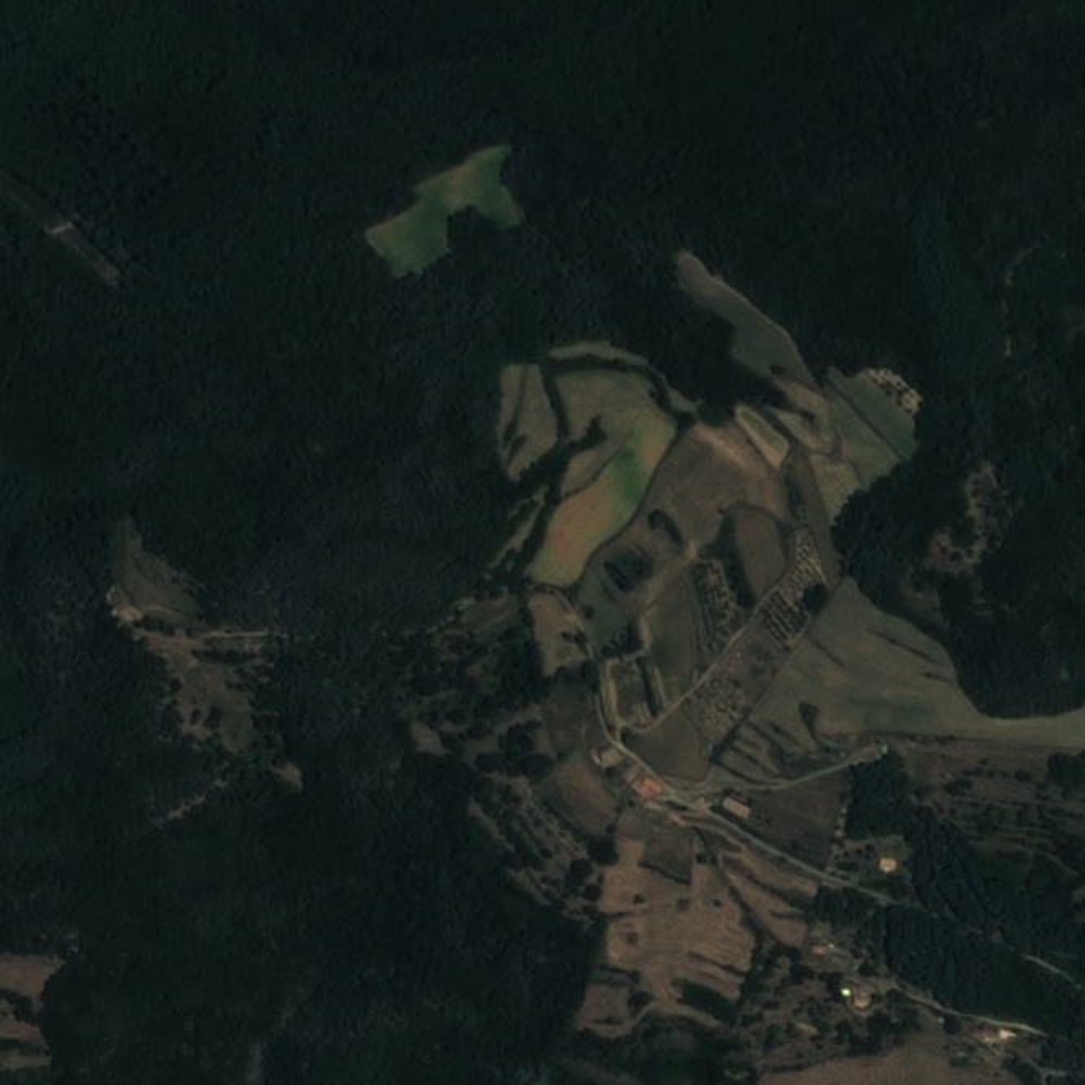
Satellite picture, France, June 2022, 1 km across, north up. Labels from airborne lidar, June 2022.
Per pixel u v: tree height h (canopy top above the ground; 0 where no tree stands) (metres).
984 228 16
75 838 15
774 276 15
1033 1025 7
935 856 20
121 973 12
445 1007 8
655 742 0
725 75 11
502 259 13
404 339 12
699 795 0
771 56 8
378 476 19
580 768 0
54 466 11
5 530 17
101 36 20
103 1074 7
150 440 12
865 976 12
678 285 15
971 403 22
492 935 11
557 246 8
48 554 15
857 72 14
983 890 23
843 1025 7
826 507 0
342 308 11
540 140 15
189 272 18
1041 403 14
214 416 9
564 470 10
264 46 21
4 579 20
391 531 16
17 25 18
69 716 12
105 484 13
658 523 12
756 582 0
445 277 16
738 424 0
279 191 18
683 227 10
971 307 18
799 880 0
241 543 12
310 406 9
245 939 15
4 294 18
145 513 11
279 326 8
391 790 12
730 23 14
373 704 12
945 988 21
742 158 8
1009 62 10
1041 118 11
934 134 15
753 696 0
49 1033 12
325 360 9
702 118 10
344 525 17
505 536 16
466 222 14
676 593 0
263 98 17
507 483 9
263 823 17
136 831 9
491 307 18
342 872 10
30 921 9
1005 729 0
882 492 13
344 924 18
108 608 9
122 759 10
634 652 9
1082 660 11
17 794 17
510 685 12
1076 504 18
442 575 15
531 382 0
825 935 0
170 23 19
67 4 16
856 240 7
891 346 12
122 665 12
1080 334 6
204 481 15
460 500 17
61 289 13
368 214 13
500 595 8
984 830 12
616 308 16
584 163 16
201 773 10
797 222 9
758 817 0
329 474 11
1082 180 10
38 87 17
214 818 16
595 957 9
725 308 0
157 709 15
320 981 13
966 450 9
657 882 0
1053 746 0
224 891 18
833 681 0
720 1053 7
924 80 7
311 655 13
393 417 11
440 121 21
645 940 0
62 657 10
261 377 9
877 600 14
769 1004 8
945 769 0
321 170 20
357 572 16
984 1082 0
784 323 8
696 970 0
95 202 21
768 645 0
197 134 12
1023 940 23
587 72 20
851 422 0
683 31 16
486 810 8
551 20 18
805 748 0
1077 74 13
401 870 10
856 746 0
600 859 12
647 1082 7
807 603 9
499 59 19
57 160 20
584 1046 9
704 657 0
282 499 14
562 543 0
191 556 10
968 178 18
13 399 11
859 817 18
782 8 12
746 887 0
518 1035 11
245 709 0
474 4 21
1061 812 10
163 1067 12
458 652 8
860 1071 0
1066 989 15
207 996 14
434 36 21
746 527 0
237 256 21
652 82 12
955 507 12
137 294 12
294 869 16
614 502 0
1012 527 7
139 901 13
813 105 10
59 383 10
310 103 21
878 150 18
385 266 15
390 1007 11
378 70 20
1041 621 7
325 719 13
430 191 0
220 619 8
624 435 0
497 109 21
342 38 24
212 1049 14
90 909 16
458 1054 18
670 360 13
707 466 0
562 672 8
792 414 0
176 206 15
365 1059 13
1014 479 24
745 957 0
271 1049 10
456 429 16
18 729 7
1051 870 13
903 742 0
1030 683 18
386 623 12
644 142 11
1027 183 16
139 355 12
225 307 17
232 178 11
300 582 15
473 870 15
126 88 22
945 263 19
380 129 19
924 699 0
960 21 9
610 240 6
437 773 18
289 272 16
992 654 9
